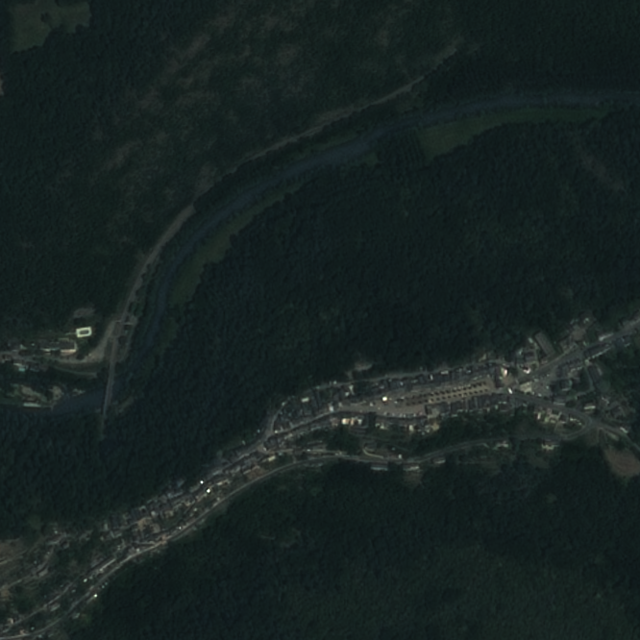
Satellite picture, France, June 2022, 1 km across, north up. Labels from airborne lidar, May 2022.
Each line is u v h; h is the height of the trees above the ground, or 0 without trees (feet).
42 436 86
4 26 72
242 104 22
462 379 0
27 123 73
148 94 19
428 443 38
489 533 70
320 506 47
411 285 79
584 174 56
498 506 54
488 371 0
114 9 76
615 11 61
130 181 25
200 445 66
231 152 33
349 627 47
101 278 42
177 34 39
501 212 55
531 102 0
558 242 47
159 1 36
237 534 46
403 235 64
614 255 86
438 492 38
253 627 71
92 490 75
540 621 37
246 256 63
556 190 70
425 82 35
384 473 29
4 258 38
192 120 29
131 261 33
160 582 68
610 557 78
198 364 68
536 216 38
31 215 28
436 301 54
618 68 72
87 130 25
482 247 42
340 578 59
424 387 0
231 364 38
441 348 66
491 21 42
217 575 54
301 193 52
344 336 71
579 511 55
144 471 94
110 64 55
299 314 71
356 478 55
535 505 44
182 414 60
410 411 0
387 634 79
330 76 52
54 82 47
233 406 91
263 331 58
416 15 32
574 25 69
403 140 99
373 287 45
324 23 28
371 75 30
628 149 67
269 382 39
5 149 47
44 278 44
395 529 85
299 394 55
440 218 66
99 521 19
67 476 81
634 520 61
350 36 33
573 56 44
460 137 0
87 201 28
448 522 82
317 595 34
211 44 34
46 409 0
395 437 18
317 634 43
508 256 58
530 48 41
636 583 87
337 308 58
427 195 75
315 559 75
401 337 73
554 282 42
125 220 34
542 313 38
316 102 38
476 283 83
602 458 30
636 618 75
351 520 39
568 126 56
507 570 55
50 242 34
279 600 55
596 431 0
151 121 30
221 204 95
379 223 72
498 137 90
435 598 65
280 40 41
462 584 60
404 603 46
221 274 65
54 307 50
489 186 67
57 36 74
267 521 55
